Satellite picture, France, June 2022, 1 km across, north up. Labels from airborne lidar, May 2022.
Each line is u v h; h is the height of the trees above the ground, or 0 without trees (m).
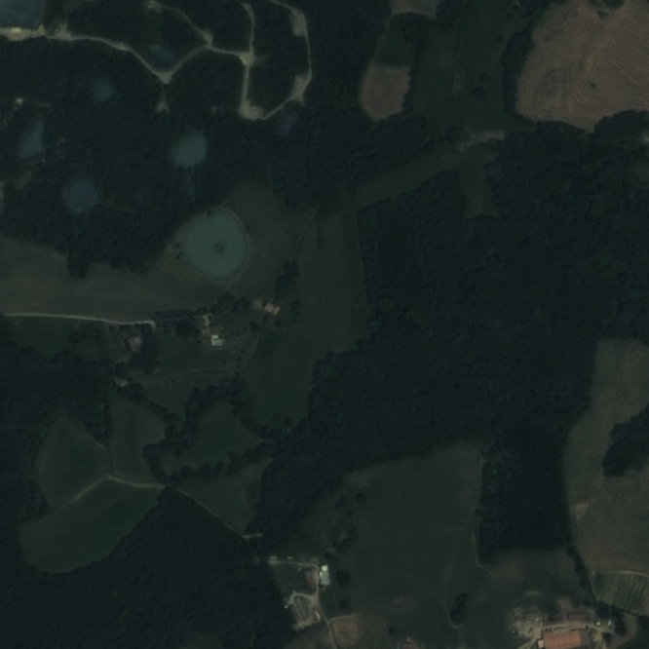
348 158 11
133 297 0
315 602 0
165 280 0
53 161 16
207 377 0
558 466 9
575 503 0
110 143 24
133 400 13
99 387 13
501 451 25
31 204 10
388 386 27
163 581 21
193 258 0
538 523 20
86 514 0
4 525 18
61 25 0
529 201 24
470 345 27
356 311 0
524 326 23
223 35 13
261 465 0
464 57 0
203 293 0
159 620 21
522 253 27
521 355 25
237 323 0
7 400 23
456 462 0
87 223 17
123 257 18
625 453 23
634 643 0
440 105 0
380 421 29
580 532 0
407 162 6
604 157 23
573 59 0
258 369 0
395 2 0
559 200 19
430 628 0
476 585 0
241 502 0
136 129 25
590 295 27
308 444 22
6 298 0
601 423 0
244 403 26
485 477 12
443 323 24
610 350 0
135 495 0
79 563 0
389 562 0
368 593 0
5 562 19
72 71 16
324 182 22
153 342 28
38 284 0
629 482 0
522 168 27
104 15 13
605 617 16
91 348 0
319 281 0
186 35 19
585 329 23
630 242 27
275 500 22
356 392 28
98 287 0
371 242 17
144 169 21
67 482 0
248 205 0
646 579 0
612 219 27
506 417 24
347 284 0
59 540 0
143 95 12
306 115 9
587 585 13
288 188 23
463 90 0
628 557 0
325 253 0
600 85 0
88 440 0
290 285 21
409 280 18
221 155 20
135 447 0
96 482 0
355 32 13
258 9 19
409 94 11
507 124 0
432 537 0
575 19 0
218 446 0
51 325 0
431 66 0
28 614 22
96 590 22
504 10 0
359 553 0
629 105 0
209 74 15
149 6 0
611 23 0
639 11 0
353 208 0
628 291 27
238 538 20
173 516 19
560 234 23
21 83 19
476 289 25
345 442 27
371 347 22
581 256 22
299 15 0
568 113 0
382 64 0
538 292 28
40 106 14
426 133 8
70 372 23
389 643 0
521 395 27
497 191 24
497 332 27
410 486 0
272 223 0
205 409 16
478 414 24
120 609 26
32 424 19
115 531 0
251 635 34
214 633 23
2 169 12
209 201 21
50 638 23
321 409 26
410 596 0
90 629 25
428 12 0
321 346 0
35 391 24
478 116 0
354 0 20
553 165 23
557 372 25
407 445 28
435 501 0
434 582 0
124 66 14
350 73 12
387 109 0
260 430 13
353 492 0
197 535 20
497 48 0
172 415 17
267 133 13
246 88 0
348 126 19
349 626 0
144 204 7
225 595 27
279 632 26
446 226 17
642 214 20
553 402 19
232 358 0
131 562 18
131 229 7
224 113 13
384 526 0
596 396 0
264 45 9
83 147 19
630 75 0
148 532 16
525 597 0
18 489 23
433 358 22
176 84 7
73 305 0
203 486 0
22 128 21
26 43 15
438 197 14
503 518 26
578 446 0
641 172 0
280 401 0
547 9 24
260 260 0
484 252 21
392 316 26
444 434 26
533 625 0
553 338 26
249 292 0
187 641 21
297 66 9
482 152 0
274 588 10
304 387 0
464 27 0
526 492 22
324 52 13
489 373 31
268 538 21
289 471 19
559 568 0
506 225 26
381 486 0
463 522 0
